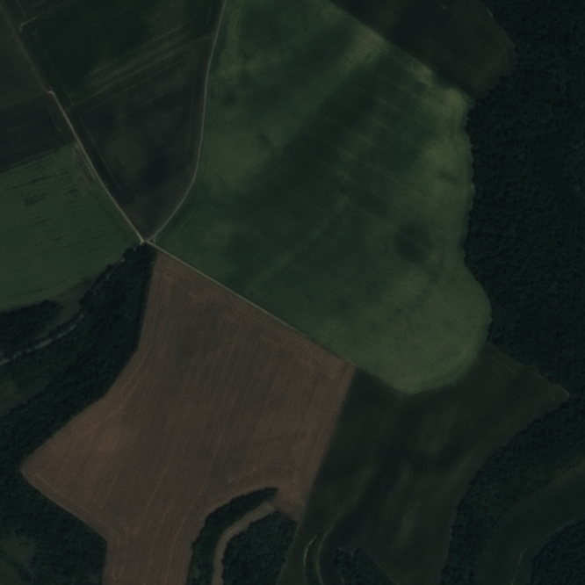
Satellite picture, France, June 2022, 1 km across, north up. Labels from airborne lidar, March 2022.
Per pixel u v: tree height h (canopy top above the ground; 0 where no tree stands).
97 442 0
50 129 0
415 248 0
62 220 0
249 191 0
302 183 0
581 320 25
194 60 0
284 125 0
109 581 0
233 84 0
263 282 0
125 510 0
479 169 17
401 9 0
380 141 0
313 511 0
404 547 0
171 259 0
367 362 0
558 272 17
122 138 0
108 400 0
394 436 0
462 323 0
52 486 0
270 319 0
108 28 0
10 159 0
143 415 0
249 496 11
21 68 0
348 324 0
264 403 0
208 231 0
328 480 0
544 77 20
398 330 0
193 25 0
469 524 17
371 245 0
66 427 0
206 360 0
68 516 7
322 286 0
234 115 0
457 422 0
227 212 0
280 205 0
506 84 18
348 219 0
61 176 0
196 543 8
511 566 0
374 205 0
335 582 0
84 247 0
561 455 19
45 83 0
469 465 0
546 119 18
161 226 0
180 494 0
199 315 0
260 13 0
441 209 0
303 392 0
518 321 17
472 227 13
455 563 8
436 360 0
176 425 0
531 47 17
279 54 0
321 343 0
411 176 0
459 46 0
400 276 0
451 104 0
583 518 0
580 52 20
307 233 0
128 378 0
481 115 18
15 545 0
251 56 0
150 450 0
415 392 0
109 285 11
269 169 0
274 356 0
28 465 0
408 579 0
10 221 0
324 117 0
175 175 0
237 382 0
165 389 0
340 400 0
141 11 0
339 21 0
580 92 25
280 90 0
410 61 0
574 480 0
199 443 0
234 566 20
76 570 9
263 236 0
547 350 17
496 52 0
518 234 23
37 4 0
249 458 0
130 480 0
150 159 0
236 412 0
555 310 24
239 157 0
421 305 0
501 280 12
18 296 0
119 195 0
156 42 0
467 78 0
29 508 8
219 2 0
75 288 0
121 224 0
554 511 0
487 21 0
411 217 0
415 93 0
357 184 0
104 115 0
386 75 0
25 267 0
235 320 0
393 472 0
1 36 0
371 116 0
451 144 0
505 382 0
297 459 0
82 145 0
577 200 25
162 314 0
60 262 0
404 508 0
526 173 26
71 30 0
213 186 0
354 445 0
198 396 0
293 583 0
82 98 0
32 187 0
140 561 0
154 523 0
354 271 0
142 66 0
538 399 0
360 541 0
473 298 0
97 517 0
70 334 9
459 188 0
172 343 0
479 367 0
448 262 0
